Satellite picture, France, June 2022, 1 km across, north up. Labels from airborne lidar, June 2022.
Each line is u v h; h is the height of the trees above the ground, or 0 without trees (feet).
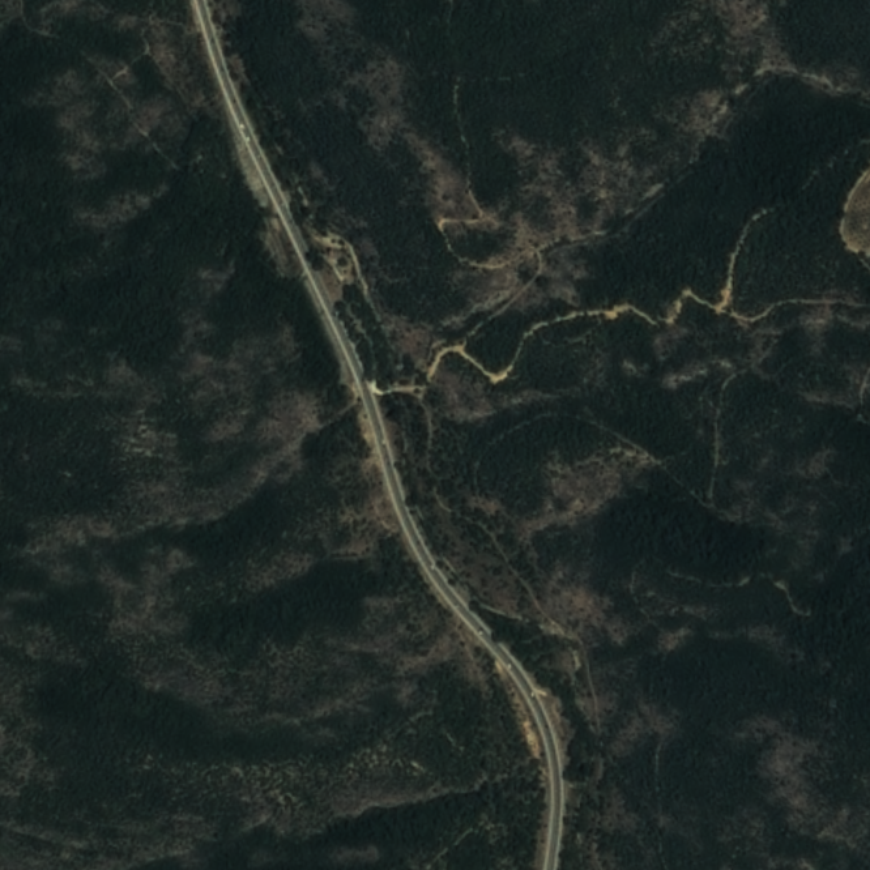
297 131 23
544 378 31
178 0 26
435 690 19
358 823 30
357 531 23
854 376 0
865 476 24
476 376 19
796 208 31
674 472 20
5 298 22
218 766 23
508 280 0
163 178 26
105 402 29
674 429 25
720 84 20
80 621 21
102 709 34
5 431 20
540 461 20
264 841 25
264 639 20
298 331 30
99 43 32
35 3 24
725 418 28
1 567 40
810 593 20
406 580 25
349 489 23
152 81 22
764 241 32
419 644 21
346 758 32
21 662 21
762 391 20
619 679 22
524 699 0
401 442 51
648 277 25
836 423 30
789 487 25
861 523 19
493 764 20
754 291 24
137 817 25
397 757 28
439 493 23
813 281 21
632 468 22
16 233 23
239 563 25
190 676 27
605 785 28
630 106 19
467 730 22
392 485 0
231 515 23
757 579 29
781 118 21
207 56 0
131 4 30
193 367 0
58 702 19
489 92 23
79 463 34
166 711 38
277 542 27
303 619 30
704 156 38
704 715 19
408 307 26
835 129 34
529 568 27
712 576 19
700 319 21
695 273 21
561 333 27
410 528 0
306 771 28
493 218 0
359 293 30
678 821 20
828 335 19
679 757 22
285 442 0
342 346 0
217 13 19
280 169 32
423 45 21
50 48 29
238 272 33
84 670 31
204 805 19
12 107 42
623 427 22
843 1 20
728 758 22
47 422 37
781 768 0
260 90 34
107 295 20
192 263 31
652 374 21
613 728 22
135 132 0
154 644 22
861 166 24
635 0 23
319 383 22
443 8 23
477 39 29
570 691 29
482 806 30
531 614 0
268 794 25
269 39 25
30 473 28
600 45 29
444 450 26
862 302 20
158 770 24
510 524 21
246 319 26
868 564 50
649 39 28
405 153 23
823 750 26
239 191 40
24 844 24
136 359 22
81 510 30
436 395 25
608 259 25
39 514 27
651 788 31
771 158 19
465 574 20
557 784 0
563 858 29
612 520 27
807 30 32
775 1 30
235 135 0
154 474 19
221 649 27
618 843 20
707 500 34
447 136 19
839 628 25
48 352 25
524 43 34
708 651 18
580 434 21
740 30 0
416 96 18
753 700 19
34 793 23
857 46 22
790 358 28
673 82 37
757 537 17
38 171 38
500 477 24
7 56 20
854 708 20
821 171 30
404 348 0
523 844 35
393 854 25
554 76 31
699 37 28
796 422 23
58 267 57
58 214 38
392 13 22
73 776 33
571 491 0
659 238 38
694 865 23
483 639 0
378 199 32
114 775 35
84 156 27
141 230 23
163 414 25
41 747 30
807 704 21
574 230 0
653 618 19
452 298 22
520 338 22
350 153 33
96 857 29
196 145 26
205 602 24
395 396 50
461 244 23
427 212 19
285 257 0
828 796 18
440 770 24
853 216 0
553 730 0
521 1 18
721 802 24
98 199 23
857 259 28
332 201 27
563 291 0
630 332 30
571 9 25
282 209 0
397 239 30
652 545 35
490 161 25
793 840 17
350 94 18
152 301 27
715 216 22
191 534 20
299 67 32
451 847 29
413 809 25
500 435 22
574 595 0
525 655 26
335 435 26
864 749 21
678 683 27
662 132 22
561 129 26
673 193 22
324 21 21
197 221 35
